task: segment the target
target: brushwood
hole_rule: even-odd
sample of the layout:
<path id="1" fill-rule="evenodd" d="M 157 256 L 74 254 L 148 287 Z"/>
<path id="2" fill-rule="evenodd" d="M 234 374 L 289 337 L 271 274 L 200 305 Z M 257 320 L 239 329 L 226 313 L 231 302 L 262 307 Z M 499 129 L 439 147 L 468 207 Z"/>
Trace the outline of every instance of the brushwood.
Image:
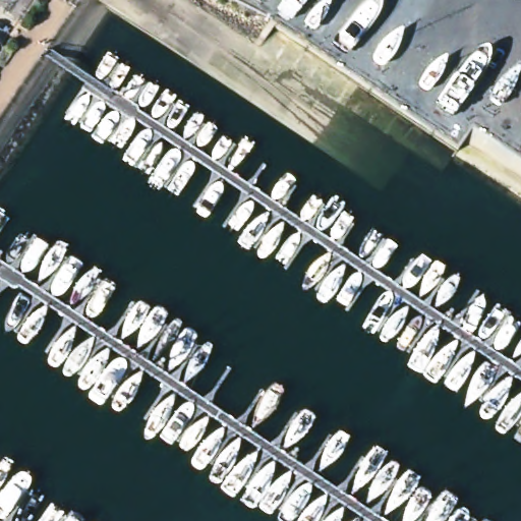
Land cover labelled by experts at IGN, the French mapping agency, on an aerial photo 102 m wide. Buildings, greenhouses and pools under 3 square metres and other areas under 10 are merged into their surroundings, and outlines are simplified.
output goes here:
<path id="1" fill-rule="evenodd" d="M 28 28 L 35 28 L 37 24 L 49 18 L 51 0 L 39 0 L 39 4 L 31 8 L 22 18 L 22 24 Z"/>

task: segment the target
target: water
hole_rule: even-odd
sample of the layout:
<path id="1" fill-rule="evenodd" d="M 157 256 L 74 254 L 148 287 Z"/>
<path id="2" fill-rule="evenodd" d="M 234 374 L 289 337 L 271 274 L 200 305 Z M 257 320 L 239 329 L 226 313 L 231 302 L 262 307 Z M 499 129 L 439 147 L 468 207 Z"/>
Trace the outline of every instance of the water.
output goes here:
<path id="1" fill-rule="evenodd" d="M 348 96 L 342 108 L 330 120 L 330 124 L 322 130 L 322 134 L 313 142 L 309 142 L 285 124 L 281 124 L 279 120 L 275 120 L 273 116 L 269 116 L 267 112 L 263 112 L 261 108 L 256 108 L 254 104 L 250 104 L 248 100 L 244 100 L 242 96 L 238 96 L 236 92 L 232 92 L 230 88 L 226 88 L 224 83 L 220 83 L 218 79 L 214 79 L 212 75 L 208 75 L 206 71 L 201 71 L 199 67 L 195 67 L 193 63 L 175 55 L 171 49 L 142 33 L 140 28 L 136 28 L 134 24 L 130 24 L 128 20 L 114 14 L 112 10 L 104 16 L 92 39 L 81 49 L 77 45 L 57 43 L 49 45 L 41 53 L 39 59 L 43 63 L 55 63 L 59 69 L 65 71 L 65 75 L 57 92 L 51 96 L 45 114 L 31 130 L 28 140 L 22 147 L 18 147 L 6 173 L 0 177 L 0 521 L 521 521 L 521 199 L 493 177 L 472 167 L 470 163 L 454 157 L 452 149 L 442 144 L 438 138 L 409 122 L 405 116 L 389 108 L 385 102 L 381 102 L 362 88 Z"/>

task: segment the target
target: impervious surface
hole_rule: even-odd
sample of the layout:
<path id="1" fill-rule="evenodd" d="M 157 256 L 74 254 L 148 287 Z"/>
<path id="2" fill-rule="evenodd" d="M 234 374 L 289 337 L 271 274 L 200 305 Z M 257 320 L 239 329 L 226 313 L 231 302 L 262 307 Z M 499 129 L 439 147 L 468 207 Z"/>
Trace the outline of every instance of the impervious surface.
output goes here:
<path id="1" fill-rule="evenodd" d="M 330 124 L 330 120 L 342 108 L 348 96 L 362 88 L 381 102 L 385 102 L 389 108 L 405 116 L 409 122 L 438 138 L 442 144 L 452 149 L 454 157 L 470 163 L 472 167 L 493 177 L 521 199 L 521 0 L 51 0 L 49 18 L 37 24 L 35 28 L 28 28 L 22 24 L 22 18 L 31 8 L 39 4 L 39 0 L 0 0 L 0 177 L 6 173 L 18 147 L 22 147 L 28 140 L 31 130 L 45 114 L 51 96 L 57 92 L 65 75 L 65 71 L 59 69 L 55 63 L 43 63 L 39 59 L 41 53 L 49 45 L 57 43 L 77 45 L 81 49 L 92 39 L 104 16 L 112 10 L 114 14 L 128 20 L 130 24 L 134 24 L 136 28 L 140 28 L 142 33 L 171 49 L 175 55 L 193 63 L 195 67 L 199 67 L 201 71 L 206 71 L 208 75 L 212 75 L 214 79 L 218 79 L 220 83 L 224 83 L 226 88 L 230 88 L 232 92 L 236 92 L 238 96 L 242 96 L 244 100 L 248 100 L 250 104 L 254 104 L 256 108 L 261 108 L 263 112 L 267 112 L 269 116 L 273 116 L 275 120 L 279 120 L 281 124 L 285 124 L 309 142 L 313 142 L 322 134 L 322 130 Z"/>

